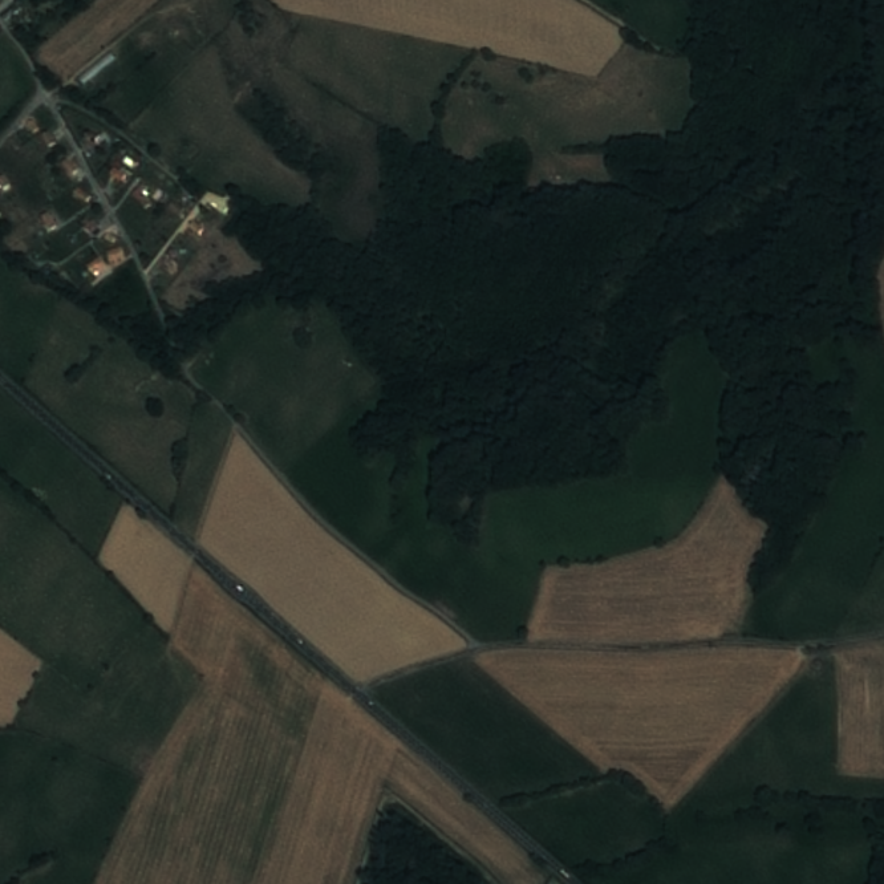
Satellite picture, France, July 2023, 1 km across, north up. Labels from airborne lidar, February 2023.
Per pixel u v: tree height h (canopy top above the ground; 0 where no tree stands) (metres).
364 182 0
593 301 26
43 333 0
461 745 0
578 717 0
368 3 0
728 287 24
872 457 0
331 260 17
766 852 0
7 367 0
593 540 0
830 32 28
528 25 0
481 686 0
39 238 0
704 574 0
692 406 0
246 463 0
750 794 0
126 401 0
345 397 0
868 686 0
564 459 22
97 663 0
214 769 0
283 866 0
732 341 24
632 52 0
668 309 14
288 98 0
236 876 0
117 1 0
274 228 12
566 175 0
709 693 0
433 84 0
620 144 20
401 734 0
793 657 0
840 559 0
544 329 27
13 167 0
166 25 0
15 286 0
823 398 12
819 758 0
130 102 0
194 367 0
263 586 0
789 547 16
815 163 27
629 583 0
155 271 0
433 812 0
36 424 0
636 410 20
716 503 0
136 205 0
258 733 0
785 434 26
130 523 0
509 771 0
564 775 0
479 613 0
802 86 23
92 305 12
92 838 0
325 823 0
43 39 10
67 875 0
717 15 21
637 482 0
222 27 0
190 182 7
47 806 0
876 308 6
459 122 0
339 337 0
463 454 23
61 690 0
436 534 0
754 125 23
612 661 0
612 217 23
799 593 0
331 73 0
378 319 14
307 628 0
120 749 0
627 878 0
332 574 0
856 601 0
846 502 0
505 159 6
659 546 11
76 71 0
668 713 0
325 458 0
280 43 0
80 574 0
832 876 0
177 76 0
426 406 6
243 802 0
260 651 0
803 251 27
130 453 0
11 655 0
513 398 13
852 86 14
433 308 19
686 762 0
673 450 0
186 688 0
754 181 27
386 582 0
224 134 0
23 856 0
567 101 0
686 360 0
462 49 0
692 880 0
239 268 0
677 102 0
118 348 0
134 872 0
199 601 0
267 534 0
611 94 0
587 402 29
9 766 0
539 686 0
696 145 23
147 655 0
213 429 0
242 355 0
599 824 0
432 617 0
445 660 0
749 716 0
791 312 25
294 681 0
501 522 0
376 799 0
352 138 0
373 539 0
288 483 0
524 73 10
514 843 0
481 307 24
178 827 0
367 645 0
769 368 25
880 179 19
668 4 0
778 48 23
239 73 0
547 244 27
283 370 0
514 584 0
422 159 20
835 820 0
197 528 0
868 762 0
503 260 21
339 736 0
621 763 0
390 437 16
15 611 0
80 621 0
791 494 24
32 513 0
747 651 0
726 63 26
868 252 21
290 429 0
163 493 0
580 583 0
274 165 0
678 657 0
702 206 30
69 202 0
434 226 19
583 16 0
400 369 11
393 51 0
